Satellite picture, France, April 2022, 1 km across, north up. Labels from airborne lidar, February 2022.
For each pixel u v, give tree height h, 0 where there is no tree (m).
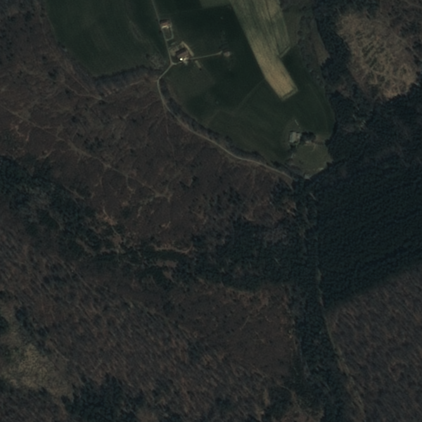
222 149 0
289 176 19
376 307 28
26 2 28
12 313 0
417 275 30
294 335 9
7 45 12
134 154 17
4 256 31
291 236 30
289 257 25
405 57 0
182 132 7
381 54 0
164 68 0
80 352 31
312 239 28
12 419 31
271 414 10
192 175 8
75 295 29
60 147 6
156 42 0
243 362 8
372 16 23
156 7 0
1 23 10
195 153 12
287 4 21
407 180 26
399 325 27
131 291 8
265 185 8
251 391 28
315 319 26
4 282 31
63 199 10
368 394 6
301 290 21
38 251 32
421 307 27
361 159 15
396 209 28
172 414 36
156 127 11
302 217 22
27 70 0
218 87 0
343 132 27
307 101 0
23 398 29
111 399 34
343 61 32
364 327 27
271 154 0
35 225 8
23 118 0
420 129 19
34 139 7
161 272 9
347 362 23
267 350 6
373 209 36
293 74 0
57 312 7
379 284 36
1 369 0
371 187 26
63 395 0
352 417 23
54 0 0
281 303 5
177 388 36
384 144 20
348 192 34
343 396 23
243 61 0
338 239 25
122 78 24
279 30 0
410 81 0
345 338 24
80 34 0
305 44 14
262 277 15
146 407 35
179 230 6
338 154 23
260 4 0
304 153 0
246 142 0
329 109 0
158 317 0
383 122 15
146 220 7
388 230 34
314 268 19
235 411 32
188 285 22
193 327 8
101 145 17
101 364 26
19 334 0
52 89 0
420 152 26
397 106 22
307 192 25
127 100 6
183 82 0
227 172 7
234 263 21
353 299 34
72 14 0
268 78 0
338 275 23
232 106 0
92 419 27
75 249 6
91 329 32
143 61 0
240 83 0
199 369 33
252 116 0
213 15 0
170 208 8
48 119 6
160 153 7
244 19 0
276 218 26
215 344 10
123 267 7
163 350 29
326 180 20
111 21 0
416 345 28
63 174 6
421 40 6
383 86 0
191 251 6
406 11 9
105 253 7
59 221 12
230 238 15
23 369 0
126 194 7
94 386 31
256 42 0
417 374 26
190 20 0
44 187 13
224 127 0
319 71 0
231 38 0
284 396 9
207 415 26
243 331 5
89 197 8
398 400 30
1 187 26
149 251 6
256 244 24
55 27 0
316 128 0
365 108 19
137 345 29
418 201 29
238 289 18
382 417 30
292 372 8
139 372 29
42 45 9
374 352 25
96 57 0
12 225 9
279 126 0
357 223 27
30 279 29
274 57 0
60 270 8
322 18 30
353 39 0
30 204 32
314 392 9
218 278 22
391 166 28
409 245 30
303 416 0
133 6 0
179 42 0
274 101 0
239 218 27
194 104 0
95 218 9
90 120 0
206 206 0
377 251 31
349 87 13
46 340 32
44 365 0
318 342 24
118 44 0
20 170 34
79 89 8
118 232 6
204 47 0
